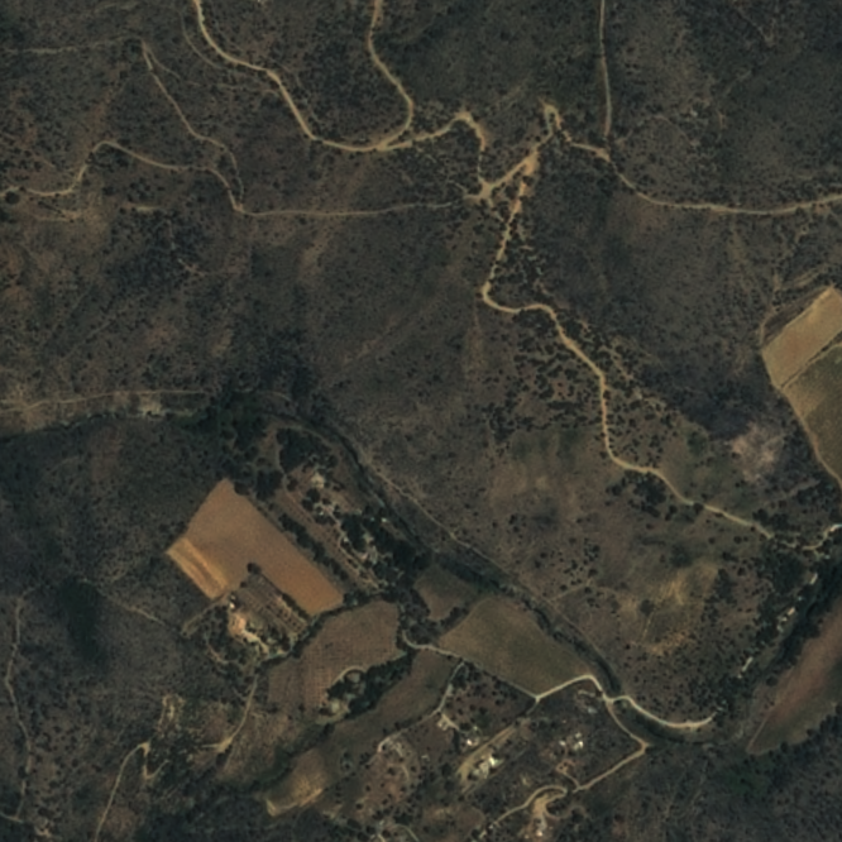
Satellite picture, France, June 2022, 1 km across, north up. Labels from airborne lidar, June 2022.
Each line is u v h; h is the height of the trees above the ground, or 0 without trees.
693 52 6
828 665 0
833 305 0
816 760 10
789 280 7
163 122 9
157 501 0
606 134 0
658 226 0
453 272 0
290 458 11
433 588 0
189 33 0
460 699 8
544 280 9
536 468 0
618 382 6
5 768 0
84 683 8
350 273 9
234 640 10
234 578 0
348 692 12
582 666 0
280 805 0
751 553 0
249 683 9
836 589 11
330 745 0
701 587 0
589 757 0
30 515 0
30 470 8
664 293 0
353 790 0
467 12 7
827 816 10
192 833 8
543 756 0
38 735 6
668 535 0
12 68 9
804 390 0
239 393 14
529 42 0
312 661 0
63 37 6
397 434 0
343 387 7
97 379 0
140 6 8
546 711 8
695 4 8
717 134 8
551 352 8
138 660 0
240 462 14
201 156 6
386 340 0
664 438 7
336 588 0
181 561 0
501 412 10
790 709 0
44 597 6
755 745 0
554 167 9
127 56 12
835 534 10
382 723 0
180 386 8
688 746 0
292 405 14
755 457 0
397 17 11
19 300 0
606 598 0
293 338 11
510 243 9
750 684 13
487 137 0
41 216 0
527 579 0
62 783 6
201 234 8
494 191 6
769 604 9
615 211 0
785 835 0
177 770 13
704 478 0
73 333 0
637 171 8
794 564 13
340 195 0
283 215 0
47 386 0
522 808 0
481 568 7
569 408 8
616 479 0
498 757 9
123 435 0
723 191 6
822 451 0
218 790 13
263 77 8
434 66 0
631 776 0
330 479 7
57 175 0
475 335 0
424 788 9
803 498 14
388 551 10
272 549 0
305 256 0
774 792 8
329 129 6
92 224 0
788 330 0
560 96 0
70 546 8
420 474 0
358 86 9
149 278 8
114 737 0
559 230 10
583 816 11
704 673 8
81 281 11
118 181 0
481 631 0
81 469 7
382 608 0
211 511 0
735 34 7
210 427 16
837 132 9
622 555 0
